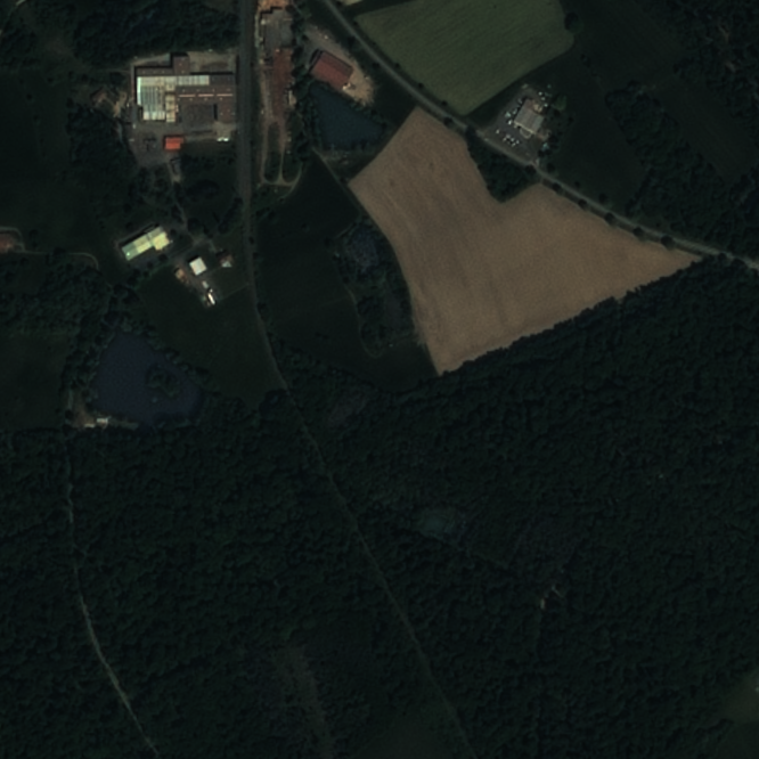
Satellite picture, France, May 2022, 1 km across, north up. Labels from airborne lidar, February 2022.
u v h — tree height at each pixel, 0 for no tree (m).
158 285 0
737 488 27
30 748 26
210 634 29
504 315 0
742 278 26
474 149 11
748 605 27
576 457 28
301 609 26
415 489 19
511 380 17
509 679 29
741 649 27
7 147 0
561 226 0
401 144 0
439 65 0
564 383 26
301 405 14
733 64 28
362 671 15
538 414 28
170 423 22
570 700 23
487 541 13
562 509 27
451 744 19
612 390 28
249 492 29
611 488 30
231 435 25
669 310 27
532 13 0
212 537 28
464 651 30
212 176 0
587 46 0
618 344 28
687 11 9
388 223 0
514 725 26
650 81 0
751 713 0
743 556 30
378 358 0
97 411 11
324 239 0
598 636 32
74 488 20
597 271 0
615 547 25
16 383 0
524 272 0
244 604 29
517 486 27
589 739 25
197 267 0
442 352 0
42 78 0
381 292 6
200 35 14
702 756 15
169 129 0
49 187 0
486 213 0
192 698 31
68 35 0
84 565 24
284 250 0
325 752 0
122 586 21
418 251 0
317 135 12
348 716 9
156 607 29
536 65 0
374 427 23
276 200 0
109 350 0
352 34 0
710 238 17
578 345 24
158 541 28
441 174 0
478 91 0
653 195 18
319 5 0
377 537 23
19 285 0
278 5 0
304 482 29
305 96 10
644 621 26
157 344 17
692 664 29
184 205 19
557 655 30
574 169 0
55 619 23
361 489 22
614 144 0
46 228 0
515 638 28
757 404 27
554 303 0
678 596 30
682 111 0
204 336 0
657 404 26
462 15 0
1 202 0
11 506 11
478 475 20
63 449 12
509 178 14
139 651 25
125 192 0
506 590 32
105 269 0
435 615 28
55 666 24
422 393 10
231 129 0
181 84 0
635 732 27
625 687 18
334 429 16
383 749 0
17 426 0
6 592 26
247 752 26
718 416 29
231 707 28
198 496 25
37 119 7
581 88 0
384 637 28
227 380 0
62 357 0
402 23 0
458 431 25
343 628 12
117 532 22
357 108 8
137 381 0
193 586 27
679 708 26
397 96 0
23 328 14
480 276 0
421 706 11
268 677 25
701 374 30
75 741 22
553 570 21
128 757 27
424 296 0
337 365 0
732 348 13
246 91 0
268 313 9
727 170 0
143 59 0
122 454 27
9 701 21
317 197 0
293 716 12
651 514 28
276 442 26
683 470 28
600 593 27
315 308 0
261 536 29
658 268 0
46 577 26
